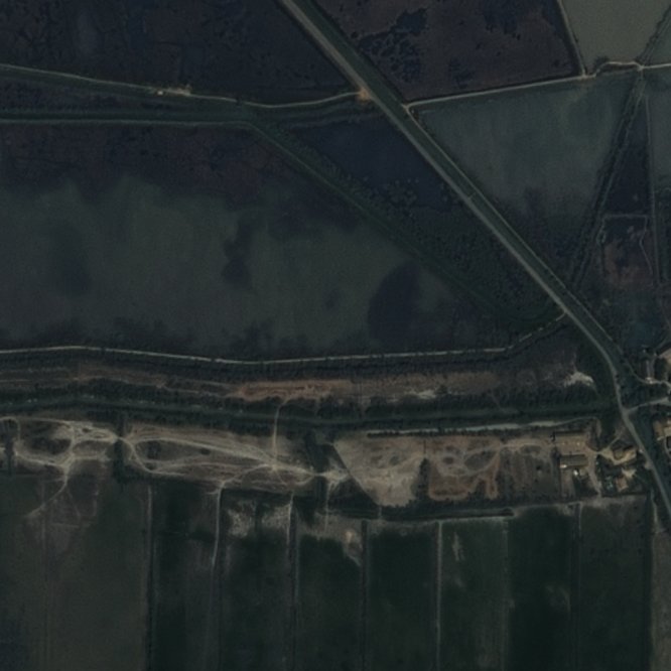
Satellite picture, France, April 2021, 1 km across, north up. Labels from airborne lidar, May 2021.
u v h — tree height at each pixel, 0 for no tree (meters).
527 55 0
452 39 0
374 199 8
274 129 7
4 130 0
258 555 0
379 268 0
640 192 0
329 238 0
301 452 0
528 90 0
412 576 0
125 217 0
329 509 0
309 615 0
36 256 0
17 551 0
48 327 0
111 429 0
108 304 0
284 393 0
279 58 0
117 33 0
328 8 0
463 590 0
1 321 0
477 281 8
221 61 0
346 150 0
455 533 0
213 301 0
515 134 0
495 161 0
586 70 6
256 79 0
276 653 0
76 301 0
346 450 0
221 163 0
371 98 0
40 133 0
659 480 0
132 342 0
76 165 0
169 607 0
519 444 0
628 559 0
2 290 0
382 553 0
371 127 0
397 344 0
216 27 0
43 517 0
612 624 0
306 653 0
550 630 0
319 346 0
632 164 0
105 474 0
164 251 0
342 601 0
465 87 0
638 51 0
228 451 0
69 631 0
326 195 0
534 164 0
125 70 0
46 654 0
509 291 6
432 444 0
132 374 0
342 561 0
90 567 0
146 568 0
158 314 0
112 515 0
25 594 0
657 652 0
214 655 0
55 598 0
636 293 0
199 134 0
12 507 0
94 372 0
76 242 0
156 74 0
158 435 0
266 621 0
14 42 0
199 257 0
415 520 0
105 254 0
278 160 0
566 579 0
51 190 0
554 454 0
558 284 8
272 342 0
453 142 0
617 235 0
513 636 0
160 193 0
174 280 0
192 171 0
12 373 0
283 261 0
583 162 0
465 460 0
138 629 0
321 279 0
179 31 0
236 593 0
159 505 0
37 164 0
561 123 0
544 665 0
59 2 0
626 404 8
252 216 0
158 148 0
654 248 6
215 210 0
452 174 0
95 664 0
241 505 0
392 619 0
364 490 0
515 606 0
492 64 0
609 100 0
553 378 0
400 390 0
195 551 0
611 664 0
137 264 0
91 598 0
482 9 0
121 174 0
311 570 0
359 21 0
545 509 0
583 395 9
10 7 0
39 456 0
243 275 0
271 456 0
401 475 0
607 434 0
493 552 0
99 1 0
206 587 0
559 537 0
